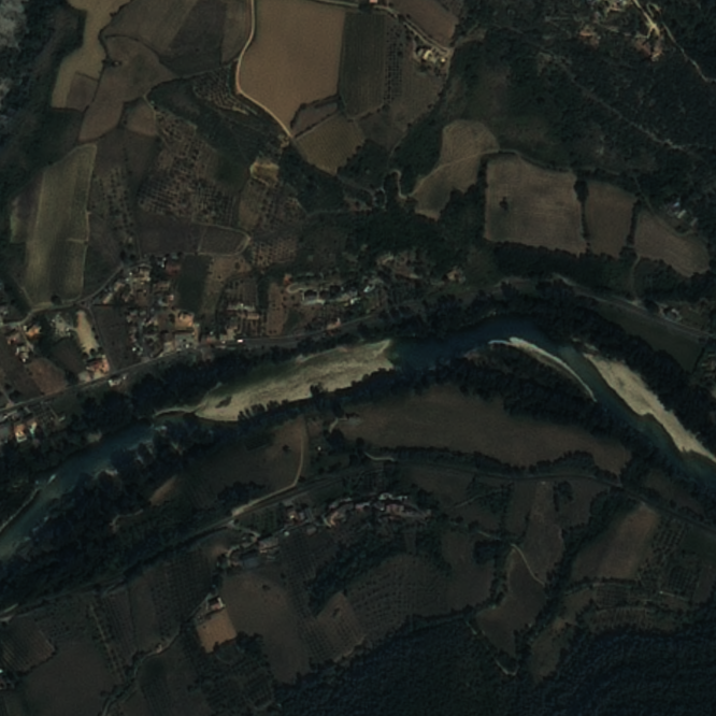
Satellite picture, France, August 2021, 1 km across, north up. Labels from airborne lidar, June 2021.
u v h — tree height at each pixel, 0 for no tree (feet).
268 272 20
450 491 0
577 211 0
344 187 31
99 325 0
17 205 0
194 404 0
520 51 41
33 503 0
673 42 27
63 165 0
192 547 26
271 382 0
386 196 28
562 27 29
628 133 24
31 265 0
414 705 31
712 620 40
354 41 0
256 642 28
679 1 21
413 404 0
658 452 48
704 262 0
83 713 0
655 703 34
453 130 0
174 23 0
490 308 70
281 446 0
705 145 125
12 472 99
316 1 0
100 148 0
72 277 0
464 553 0
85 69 0
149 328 24
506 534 47
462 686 24
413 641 38
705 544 0
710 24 26
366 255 28
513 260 67
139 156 0
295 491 0
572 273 39
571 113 23
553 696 35
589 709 31
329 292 30
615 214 0
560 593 41
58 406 0
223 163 0
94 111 0
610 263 28
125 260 45
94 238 0
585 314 44
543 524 0
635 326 0
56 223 0
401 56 27
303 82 0
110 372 0
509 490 21
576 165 37
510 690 53
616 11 24
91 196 0
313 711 37
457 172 0
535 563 0
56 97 0
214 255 0
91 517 105
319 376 0
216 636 0
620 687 32
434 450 32
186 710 0
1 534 0
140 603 0
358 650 22
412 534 0
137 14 0
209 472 0
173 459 91
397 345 0
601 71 28
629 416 0
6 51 33
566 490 25
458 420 0
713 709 37
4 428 0
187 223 0
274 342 0
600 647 43
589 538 43
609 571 0
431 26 0
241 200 0
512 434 0
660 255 0
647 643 42
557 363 0
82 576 48
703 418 110
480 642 34
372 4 24
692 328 0
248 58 0
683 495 0
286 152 27
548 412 51
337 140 0
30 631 0
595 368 0
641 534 0
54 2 25
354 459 38
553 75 24
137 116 0
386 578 18
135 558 58
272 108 0
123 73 0
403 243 52
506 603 0
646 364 70
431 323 31
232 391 0
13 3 0
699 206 24
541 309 51
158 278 23
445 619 22
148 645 0
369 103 0
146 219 0
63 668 0
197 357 0
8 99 30
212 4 0
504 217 0
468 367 48
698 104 27
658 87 27
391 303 45
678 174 32
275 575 0
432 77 0
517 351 41
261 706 24
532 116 0
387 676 29
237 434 45
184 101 0
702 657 24
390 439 0
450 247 35
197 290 0
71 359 0
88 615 19
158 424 0
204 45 0
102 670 0
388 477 30
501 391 28
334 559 27
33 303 0
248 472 0
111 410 79
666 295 54
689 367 0
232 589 0
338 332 26
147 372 0
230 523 0
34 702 0
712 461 0
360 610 20
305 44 0
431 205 0
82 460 0
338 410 66
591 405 26
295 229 0
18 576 73
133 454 25
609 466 0
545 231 0
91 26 0
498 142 0
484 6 52
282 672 0
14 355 0
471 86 18
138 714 0
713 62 30
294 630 0
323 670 36
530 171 0
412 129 29
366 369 0
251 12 0
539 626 26
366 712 24
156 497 0
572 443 0
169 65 0
